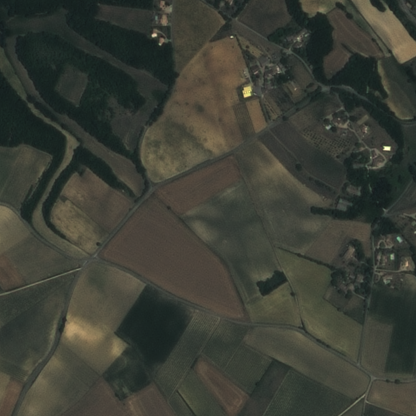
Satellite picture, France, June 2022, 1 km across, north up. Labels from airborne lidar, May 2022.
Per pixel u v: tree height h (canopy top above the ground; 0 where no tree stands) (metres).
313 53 22
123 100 8
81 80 0
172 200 0
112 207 0
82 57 11
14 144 13
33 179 0
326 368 0
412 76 6
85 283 0
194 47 0
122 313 0
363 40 0
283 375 0
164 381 0
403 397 0
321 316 0
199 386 0
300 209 0
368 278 13
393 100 0
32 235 0
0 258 0
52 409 0
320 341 9
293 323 0
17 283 0
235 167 0
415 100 0
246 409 0
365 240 0
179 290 0
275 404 0
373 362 0
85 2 12
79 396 0
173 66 11
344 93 9
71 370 0
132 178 0
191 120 0
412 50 0
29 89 0
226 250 0
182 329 0
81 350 0
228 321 0
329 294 0
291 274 0
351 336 0
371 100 14
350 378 0
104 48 14
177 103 0
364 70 14
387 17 0
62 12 0
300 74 0
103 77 12
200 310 0
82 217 0
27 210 12
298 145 0
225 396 0
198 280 0
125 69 0
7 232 0
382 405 0
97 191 0
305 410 0
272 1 0
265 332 0
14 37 0
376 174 6
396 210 0
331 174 0
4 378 0
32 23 0
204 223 0
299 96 0
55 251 0
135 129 0
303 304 0
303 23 15
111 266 0
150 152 0
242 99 0
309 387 0
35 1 10
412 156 0
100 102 8
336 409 0
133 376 0
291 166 0
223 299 0
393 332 0
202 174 0
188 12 0
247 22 0
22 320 0
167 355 0
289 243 0
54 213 0
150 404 0
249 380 0
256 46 0
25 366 0
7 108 12
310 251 0
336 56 0
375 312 0
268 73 0
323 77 18
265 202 0
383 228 6
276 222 0
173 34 0
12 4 20
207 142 0
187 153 0
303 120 0
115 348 0
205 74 0
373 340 0
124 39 10
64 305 0
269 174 0
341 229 0
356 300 0
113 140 10
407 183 0
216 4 8
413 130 0
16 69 0
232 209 0
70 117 14
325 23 13
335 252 0
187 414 0
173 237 0
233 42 0
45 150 8
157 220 0
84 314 0
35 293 0
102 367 0
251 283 0
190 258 0
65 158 0
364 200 17
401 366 0
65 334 0
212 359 0
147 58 10
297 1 13
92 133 13
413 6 9
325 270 0
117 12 0
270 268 0
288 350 0
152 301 0
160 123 0
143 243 0
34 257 0
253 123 0
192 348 0
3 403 0
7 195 0
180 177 0
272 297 0
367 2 0
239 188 0
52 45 10
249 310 0
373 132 0
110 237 0
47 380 0
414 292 0
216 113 0
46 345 0
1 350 0
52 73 10
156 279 0
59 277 0
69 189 0
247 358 0
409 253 0
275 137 0
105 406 0
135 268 0
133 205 0
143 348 0
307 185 0
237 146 0
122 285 0
